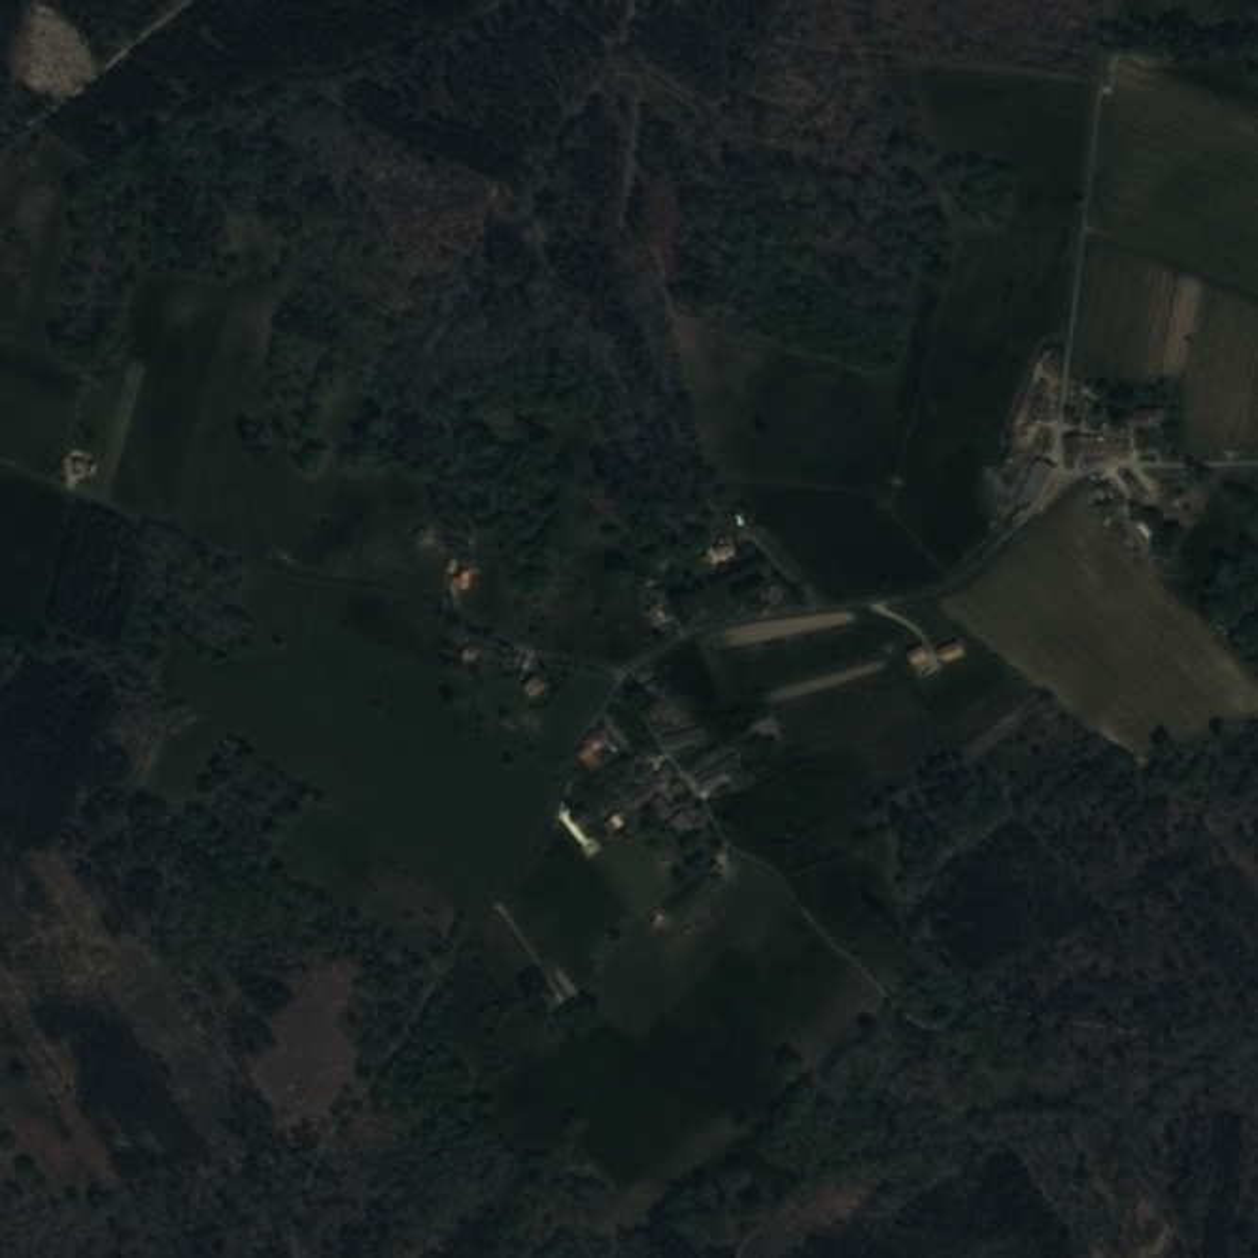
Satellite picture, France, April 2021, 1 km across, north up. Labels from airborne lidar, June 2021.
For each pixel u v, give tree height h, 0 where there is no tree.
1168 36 14
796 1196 19
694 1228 23
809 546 0
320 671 0
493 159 9
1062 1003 15
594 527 0
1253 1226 9
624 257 10
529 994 20
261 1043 6
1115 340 0
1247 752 15
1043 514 0
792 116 9
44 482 0
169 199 18
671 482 7
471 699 0
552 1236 13
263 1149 9
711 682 0
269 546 0
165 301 0
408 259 14
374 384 11
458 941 7
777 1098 0
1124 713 0
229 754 9
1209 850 8
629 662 0
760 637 0
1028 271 0
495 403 21
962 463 0
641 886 0
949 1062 7
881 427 0
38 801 10
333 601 0
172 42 9
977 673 0
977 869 8
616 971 0
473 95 21
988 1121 14
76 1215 11
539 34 22
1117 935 9
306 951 14
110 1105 8
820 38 0
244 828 14
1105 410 8
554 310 16
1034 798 13
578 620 0
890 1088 10
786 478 0
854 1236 6
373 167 12
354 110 7
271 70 10
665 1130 0
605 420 18
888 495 0
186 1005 7
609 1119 0
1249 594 18
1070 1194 9
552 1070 0
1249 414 0
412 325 14
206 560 17
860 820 0
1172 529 9
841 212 20
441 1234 10
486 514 17
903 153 18
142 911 8
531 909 0
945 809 25
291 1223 7
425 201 11
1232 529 0
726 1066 0
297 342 12
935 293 0
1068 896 6
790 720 0
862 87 12
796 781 0
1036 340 0
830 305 14
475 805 0
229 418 0
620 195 21
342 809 0
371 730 0
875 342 14
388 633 0
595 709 0
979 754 0
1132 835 22
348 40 9
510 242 28
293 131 20
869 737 0
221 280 12
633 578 12
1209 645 0
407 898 0
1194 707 0
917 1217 7
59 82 0
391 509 0
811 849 0
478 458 18
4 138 16
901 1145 14
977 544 0
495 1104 11
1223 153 0
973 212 12
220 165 18
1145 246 0
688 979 0
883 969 0
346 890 0
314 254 10
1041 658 0
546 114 15
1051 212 0
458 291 19
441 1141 14
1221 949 13
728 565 8
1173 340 0
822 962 0
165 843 21
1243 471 0
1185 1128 10
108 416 0
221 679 0
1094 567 0
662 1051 0
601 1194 13
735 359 0
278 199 14
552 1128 0
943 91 0
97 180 19
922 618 0
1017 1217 8
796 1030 0
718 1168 0
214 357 0
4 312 6
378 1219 15
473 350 14
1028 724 0
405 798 0
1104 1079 13
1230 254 0
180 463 0
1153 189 0
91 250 10
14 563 0
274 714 0
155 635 13
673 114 0
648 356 24
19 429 0
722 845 7
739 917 0
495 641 13
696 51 20
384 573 0
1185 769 11
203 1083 0
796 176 20
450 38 12
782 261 14
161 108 11
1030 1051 7
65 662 7
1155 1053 17
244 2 10
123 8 9
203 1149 8
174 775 0
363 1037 7
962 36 8
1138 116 0
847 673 0
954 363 0
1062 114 0
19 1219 6
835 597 0
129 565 8
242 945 13
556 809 0
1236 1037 14
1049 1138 15
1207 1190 9
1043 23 7
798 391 0
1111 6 0
